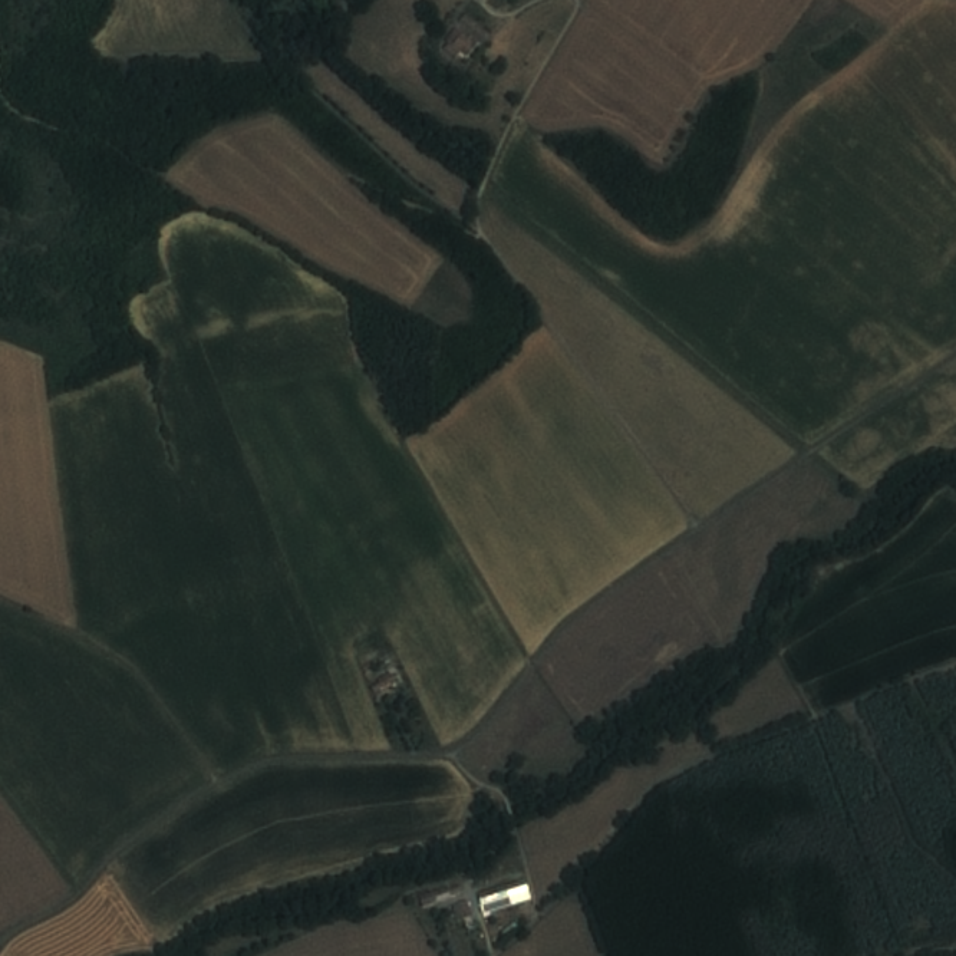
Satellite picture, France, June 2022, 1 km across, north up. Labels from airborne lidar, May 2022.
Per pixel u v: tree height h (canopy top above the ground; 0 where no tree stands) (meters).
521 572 0
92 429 0
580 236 0
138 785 0
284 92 19
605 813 0
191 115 22
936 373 0
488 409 0
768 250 0
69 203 9
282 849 0
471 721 0
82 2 14
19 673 0
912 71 0
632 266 0
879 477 0
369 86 21
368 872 20
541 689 0
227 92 13
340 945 0
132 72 17
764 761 12
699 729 9
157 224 9
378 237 0
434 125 27
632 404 0
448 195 0
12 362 0
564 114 0
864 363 0
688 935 17
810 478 0
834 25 0
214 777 0
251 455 0
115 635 0
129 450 0
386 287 0
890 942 15
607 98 0
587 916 13
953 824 14
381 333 10
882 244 0
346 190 0
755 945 14
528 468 0
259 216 0
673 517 0
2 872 0
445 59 0
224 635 0
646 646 0
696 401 0
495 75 13
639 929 16
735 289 0
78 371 14
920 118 0
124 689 0
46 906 0
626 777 0
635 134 0
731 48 0
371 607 0
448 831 0
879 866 15
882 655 0
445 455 0
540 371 0
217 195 0
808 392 0
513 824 18
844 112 0
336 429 0
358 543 0
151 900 0
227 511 0
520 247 0
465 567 0
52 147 10
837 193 0
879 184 0
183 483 0
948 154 0
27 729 0
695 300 0
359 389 0
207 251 0
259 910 22
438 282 0
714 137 7
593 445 0
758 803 17
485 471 0
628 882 17
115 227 10
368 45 0
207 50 0
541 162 0
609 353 0
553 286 0
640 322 0
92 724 0
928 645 0
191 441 0
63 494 0
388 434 0
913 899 15
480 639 0
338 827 0
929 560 0
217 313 0
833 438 0
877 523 12
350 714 0
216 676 0
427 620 0
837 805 15
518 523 0
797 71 0
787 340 0
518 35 0
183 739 0
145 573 0
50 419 0
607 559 0
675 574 0
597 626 0
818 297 0
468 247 12
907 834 11
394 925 0
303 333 0
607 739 18
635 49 0
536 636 0
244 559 0
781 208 0
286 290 0
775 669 0
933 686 12
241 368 0
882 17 0
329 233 0
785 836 13
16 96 15
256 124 0
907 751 12
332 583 0
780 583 18
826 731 12
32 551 0
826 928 15
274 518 0
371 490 0
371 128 0
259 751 0
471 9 0
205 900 0
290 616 0
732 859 13
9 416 0
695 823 16
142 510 0
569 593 0
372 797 0
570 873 16
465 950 0
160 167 17
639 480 0
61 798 0
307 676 0
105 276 14
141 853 0
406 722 11
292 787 0
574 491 0
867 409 0
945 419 0
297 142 0
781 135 0
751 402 0
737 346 0
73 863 0
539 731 0
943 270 0
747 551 0
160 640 0
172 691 0
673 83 0
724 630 0
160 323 0
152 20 0
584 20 0
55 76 20
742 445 0
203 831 0
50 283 7
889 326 0
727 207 0
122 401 0
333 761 0
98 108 20
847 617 0
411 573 0
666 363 0
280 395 0
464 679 0
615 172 7
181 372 0
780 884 9
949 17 0
